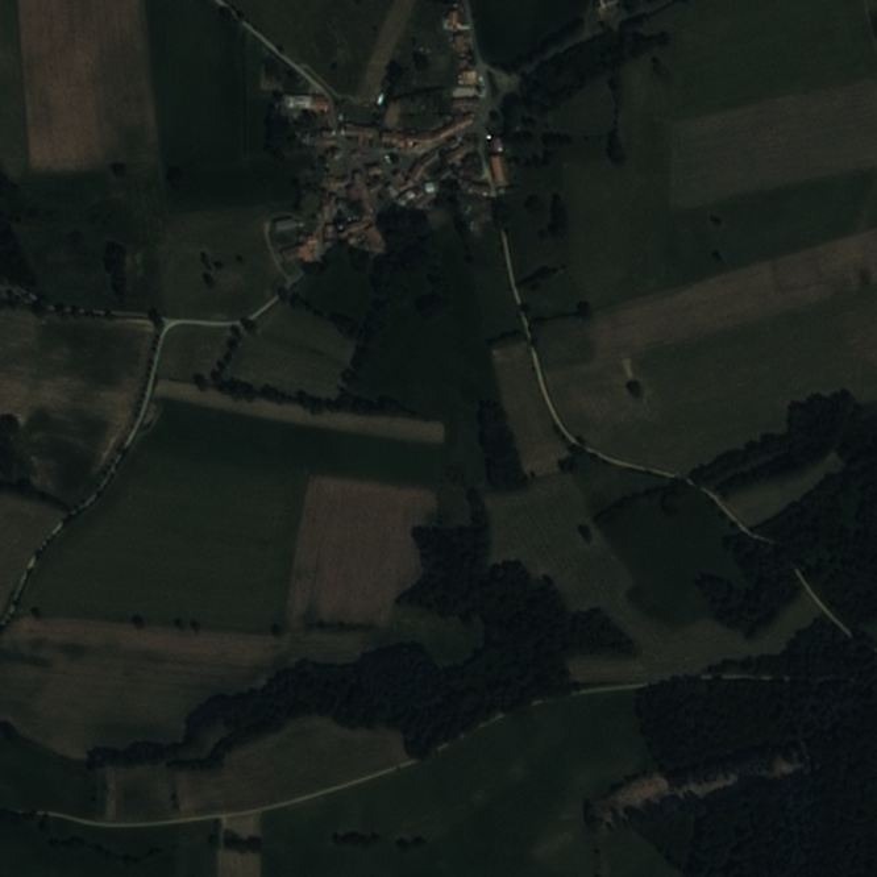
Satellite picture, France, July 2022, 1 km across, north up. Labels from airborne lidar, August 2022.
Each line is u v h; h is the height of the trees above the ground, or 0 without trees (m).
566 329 0
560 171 0
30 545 0
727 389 0
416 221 21
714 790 0
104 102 0
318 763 0
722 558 0
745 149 0
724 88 0
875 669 17
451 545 19
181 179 17
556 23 0
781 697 16
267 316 0
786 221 0
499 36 0
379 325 20
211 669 0
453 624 0
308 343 0
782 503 0
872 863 28
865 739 29
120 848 0
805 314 0
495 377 0
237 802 0
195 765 11
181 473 0
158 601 0
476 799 0
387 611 0
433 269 15
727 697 10
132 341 0
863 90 0
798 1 0
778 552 18
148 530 0
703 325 0
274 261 0
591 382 0
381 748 0
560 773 0
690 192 0
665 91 0
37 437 0
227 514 0
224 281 0
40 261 0
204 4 0
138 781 0
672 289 0
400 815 0
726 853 26
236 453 0
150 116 0
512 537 0
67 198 0
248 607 0
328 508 0
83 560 0
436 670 18
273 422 0
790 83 0
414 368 0
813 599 0
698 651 0
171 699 0
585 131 0
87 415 0
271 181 0
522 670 15
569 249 0
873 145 0
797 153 0
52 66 0
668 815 21
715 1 0
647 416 0
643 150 0
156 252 0
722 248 0
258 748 0
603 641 15
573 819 0
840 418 21
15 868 0
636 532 0
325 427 0
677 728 13
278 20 0
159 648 0
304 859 0
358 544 0
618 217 0
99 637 0
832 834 29
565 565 0
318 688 15
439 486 0
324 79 0
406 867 0
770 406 0
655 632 0
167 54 0
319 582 0
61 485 0
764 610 15
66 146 0
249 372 0
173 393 0
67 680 0
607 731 0
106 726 0
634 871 0
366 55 0
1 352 0
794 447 20
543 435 0
